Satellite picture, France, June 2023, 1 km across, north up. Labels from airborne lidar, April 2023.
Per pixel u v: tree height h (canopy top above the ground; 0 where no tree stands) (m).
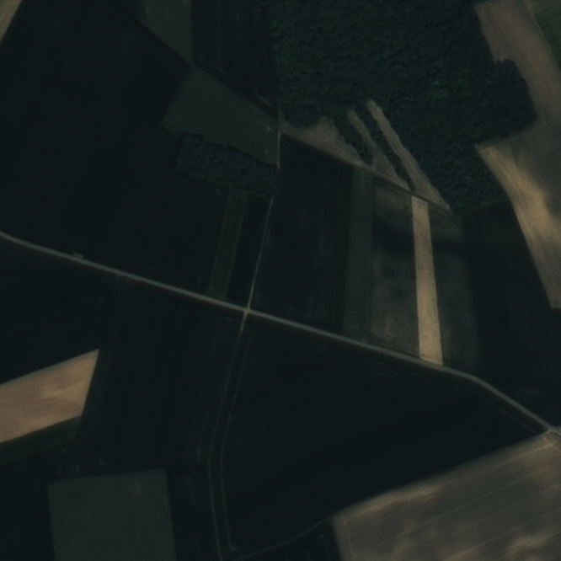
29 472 0
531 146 0
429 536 0
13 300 0
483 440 0
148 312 0
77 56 0
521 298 0
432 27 21
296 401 0
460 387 0
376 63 22
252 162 20
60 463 0
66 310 0
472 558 0
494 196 6
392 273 0
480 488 0
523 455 0
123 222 0
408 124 16
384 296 0
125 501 0
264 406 0
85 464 0
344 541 0
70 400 0
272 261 0
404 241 0
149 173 0
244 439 0
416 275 0
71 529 0
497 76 21
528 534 0
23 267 0
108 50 0
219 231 0
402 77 25
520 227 0
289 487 0
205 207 0
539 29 0
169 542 0
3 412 0
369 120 16
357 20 22
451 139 17
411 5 17
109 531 0
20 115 0
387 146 15
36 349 0
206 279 0
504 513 0
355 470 0
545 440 0
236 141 0
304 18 19
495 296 0
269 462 0
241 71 0
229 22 0
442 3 21
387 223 0
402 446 0
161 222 0
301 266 0
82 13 0
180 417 0
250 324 0
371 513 0
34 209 0
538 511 0
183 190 0
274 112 0
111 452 0
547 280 0
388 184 0
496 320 0
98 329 0
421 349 0
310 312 0
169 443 0
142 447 0
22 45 0
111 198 0
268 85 0
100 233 0
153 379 0
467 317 0
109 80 0
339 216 0
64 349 0
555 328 0
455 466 0
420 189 0
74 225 0
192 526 0
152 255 0
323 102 16
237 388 0
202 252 0
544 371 0
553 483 0
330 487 0
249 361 0
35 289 0
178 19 0
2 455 0
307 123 16
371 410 0
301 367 0
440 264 0
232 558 0
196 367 0
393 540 0
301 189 0
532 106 18
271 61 0
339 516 0
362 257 0
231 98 0
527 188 0
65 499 0
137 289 0
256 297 0
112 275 0
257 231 0
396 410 0
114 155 0
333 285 0
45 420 0
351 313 0
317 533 0
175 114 0
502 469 0
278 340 0
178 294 0
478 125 21
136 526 0
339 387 0
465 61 22
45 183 0
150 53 0
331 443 0
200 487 0
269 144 0
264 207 0
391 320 0
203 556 0
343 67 24
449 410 0
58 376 0
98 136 0
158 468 0
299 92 16
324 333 0
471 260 0
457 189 16
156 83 0
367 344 0
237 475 0
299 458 0
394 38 18
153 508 0
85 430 0
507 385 0
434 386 0
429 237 0
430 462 0
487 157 0
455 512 0
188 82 0
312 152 0
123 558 0
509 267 0
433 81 15
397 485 0
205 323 0
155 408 0
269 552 0
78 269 0
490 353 0
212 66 0
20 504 0
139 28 0
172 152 0
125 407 0
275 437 0
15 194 0
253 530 0
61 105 0
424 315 0
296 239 0
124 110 0
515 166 0
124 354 0
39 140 0
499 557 0
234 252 0
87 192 0
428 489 0
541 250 0
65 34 0
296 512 0
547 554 0
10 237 0
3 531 0
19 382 0
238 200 0
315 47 23
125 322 0
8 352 0
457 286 0
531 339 0
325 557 0
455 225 0
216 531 0
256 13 0
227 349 0
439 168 15
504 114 23
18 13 0
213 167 20
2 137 0
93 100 0
